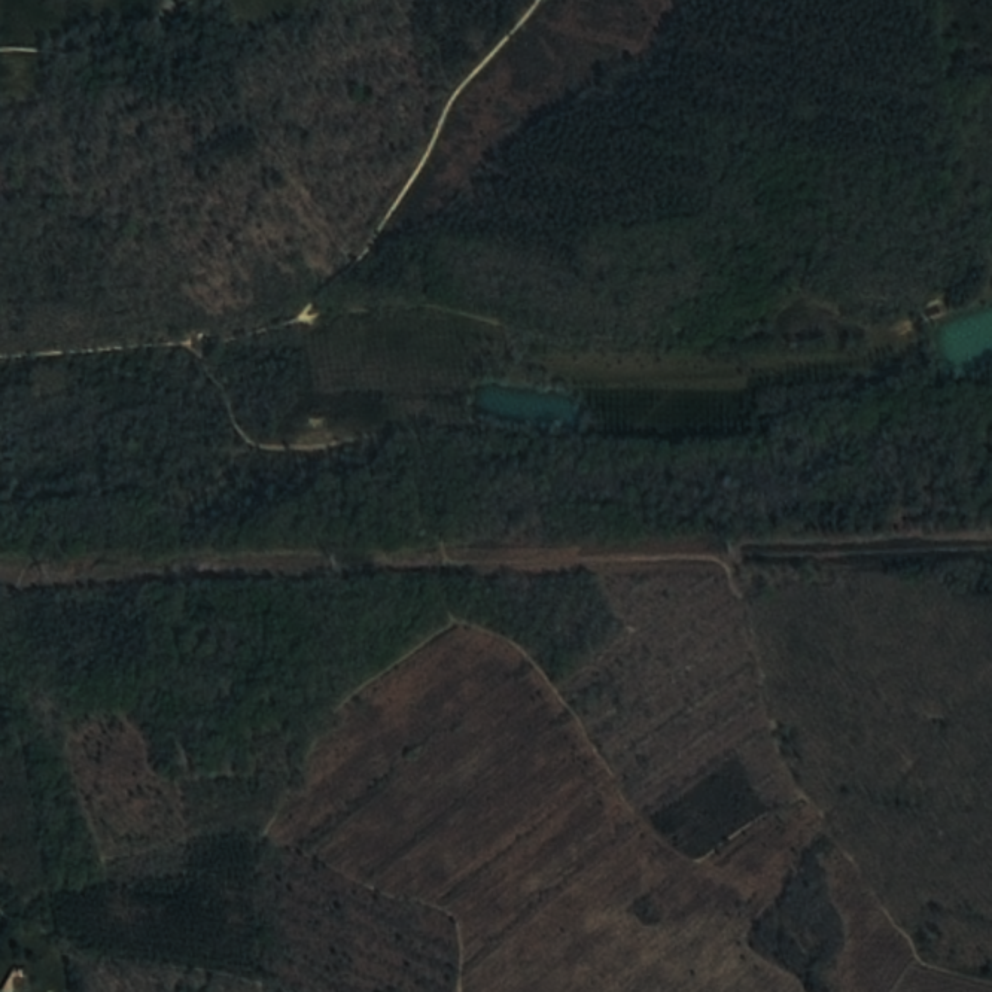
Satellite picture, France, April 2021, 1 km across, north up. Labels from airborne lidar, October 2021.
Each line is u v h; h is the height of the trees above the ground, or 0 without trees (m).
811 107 22
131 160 12
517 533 14
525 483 19
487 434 22
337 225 20
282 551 10
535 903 6
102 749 8
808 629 21
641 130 22
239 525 23
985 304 11
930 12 17
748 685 0
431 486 20
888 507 17
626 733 0
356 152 7
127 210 14
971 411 23
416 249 26
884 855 21
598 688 7
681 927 0
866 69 20
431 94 8
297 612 22
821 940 15
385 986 7
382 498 23
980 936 20
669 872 0
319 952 6
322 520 22
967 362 0
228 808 11
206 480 16
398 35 12
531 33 0
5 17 0
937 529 9
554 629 19
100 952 9
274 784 9
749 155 24
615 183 24
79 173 16
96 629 20
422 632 18
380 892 8
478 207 11
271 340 22
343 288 20
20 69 0
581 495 15
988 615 23
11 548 18
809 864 14
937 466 22
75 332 16
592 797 0
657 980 0
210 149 19
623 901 0
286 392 23
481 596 21
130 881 7
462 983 0
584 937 0
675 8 7
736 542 10
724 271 15
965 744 21
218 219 15
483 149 11
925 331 25
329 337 16
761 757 0
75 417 14
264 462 11
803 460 20
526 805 0
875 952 0
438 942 7
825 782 21
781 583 22
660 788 0
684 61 24
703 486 12
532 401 0
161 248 23
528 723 0
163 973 17
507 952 0
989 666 22
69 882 20
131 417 16
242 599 26
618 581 0
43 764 19
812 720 20
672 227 19
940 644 18
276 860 9
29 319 22
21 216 24
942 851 19
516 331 22
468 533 24
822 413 21
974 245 26
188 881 9
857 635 22
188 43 16
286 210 18
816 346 25
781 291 22
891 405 25
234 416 13
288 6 0
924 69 21
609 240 19
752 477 13
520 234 23
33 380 30
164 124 11
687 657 0
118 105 18
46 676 21
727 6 25
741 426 14
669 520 15
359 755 0
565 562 0
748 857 0
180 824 10
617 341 15
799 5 24
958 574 24
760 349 23
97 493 21
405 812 0
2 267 11
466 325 16
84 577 0
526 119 12
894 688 20
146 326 18
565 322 16
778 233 16
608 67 11
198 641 12
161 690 19
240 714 21
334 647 21
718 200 19
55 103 23
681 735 0
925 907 19
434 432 26
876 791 20
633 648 0
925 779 19
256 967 10
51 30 0
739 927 0
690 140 24
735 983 0
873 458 12
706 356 12
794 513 13
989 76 23
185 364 15
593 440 23
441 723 0
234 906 8
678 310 14
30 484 20
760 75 23
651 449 25
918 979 0
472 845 0
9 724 16
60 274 13
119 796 8
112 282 18
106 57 18
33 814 17
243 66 22
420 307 18
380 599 26
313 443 0
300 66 20
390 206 12
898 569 14
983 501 24
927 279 16
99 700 19
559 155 23
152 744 7
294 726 19
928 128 22
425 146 12
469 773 0
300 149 19
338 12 16
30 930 16
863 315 21
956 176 20
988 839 19
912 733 20
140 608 20
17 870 11
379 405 7
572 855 0
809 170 21
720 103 22
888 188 18
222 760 23
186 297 18
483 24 17
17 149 19
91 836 20
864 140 24
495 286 21
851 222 15
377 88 9
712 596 0
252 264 16
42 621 22
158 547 17
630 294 15
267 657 16
